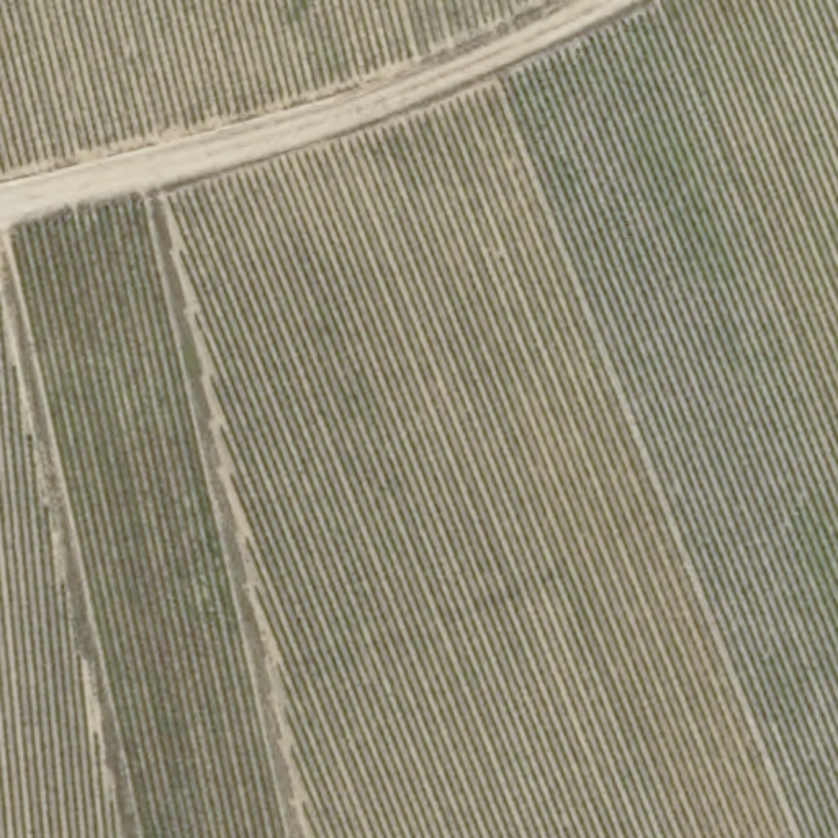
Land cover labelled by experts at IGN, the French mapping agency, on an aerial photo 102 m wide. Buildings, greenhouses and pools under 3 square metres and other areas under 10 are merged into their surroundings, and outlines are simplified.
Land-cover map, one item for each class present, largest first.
<instances>
[{"label":"vineyard","instance_id":"1","mask_svg":"<svg viewBox=\"0 0 838 838\"><path fill-rule=\"evenodd\" d=\"M573 0H0V173L46 157L108 147L115 141L137 134L193 128L219 115H236V121H249L259 118L282 95L308 92L331 79L370 72L409 56H422L426 69L445 65L543 16L566 10ZM0 838H838V0H632L576 33H566L540 49L507 59L504 65L462 79L448 88H439L432 95H422L350 128L311 137L295 147L246 157L226 167L154 183L137 193H118L108 200L62 206L46 216L23 219L13 229H0Z\"/></svg>","mask_w":838,"mask_h":838},{"label":"pervious surface","instance_id":"2","mask_svg":"<svg viewBox=\"0 0 838 838\"><path fill-rule=\"evenodd\" d=\"M632 0H573L566 10L543 16L445 65L426 69L422 56H409L370 72L331 79L308 92L282 95L259 118L249 121H236V115H219L193 128L137 134L115 141L108 147L46 157L0 173V229H13L23 219L46 216L62 206L108 200L118 193H137L154 183L226 167L246 157L295 147L311 137L350 128L422 95H432L439 88H448L462 79L504 65L507 59L540 49L566 33H576Z\"/></svg>","mask_w":838,"mask_h":838}]
</instances>
